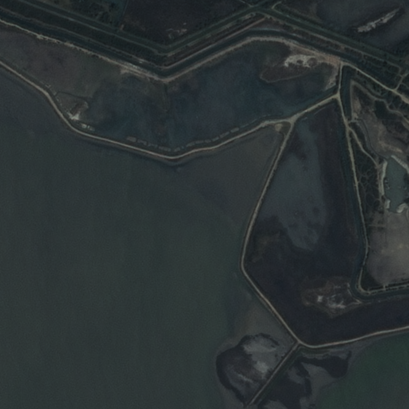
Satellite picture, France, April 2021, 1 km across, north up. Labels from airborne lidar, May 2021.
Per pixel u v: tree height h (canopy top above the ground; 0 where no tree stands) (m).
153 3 0
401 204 0
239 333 0
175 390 0
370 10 0
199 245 0
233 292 0
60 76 0
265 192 0
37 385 0
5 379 0
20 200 0
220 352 0
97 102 0
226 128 0
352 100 0
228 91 0
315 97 0
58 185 0
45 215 0
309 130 0
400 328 0
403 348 0
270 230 0
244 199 0
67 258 0
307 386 0
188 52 0
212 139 0
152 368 0
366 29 0
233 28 0
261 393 0
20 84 0
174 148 0
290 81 0
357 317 0
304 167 0
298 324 0
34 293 0
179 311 0
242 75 0
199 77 0
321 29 0
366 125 0
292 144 0
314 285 0
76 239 0
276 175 0
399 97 7
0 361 0
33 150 0
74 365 0
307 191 0
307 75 0
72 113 0
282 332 0
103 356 0
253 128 0
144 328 0
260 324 0
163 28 0
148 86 0
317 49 0
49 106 0
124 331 0
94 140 0
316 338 0
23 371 0
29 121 0
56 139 0
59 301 0
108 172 0
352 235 0
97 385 0
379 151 0
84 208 0
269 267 0
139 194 0
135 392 0
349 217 0
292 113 0
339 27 0
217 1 0
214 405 0
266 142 0
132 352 0
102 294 0
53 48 0
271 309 0
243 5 6
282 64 0
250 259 0
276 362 0
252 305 0
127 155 0
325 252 0
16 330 0
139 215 0
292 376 0
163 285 0
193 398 0
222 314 0
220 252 0
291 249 0
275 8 0
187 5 0
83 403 0
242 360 0
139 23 0
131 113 0
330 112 0
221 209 0
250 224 0
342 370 0
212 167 0
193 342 0
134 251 0
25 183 0
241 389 0
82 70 0
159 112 0
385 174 0
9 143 0
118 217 0
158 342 0
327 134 0
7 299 0
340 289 0
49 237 0
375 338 0
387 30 0
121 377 0
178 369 0
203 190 0
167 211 0
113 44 6
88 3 6
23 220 0
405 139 0
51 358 0
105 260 0
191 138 0
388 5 0
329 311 0
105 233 0
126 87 0
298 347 0
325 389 0
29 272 0
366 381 0
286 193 0
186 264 0
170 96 0
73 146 0
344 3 0
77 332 0
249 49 0
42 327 0
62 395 0
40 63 0
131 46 6
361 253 0
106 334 0
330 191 0
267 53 0
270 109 0
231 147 0
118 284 0
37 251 0
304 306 0
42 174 0
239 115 0
